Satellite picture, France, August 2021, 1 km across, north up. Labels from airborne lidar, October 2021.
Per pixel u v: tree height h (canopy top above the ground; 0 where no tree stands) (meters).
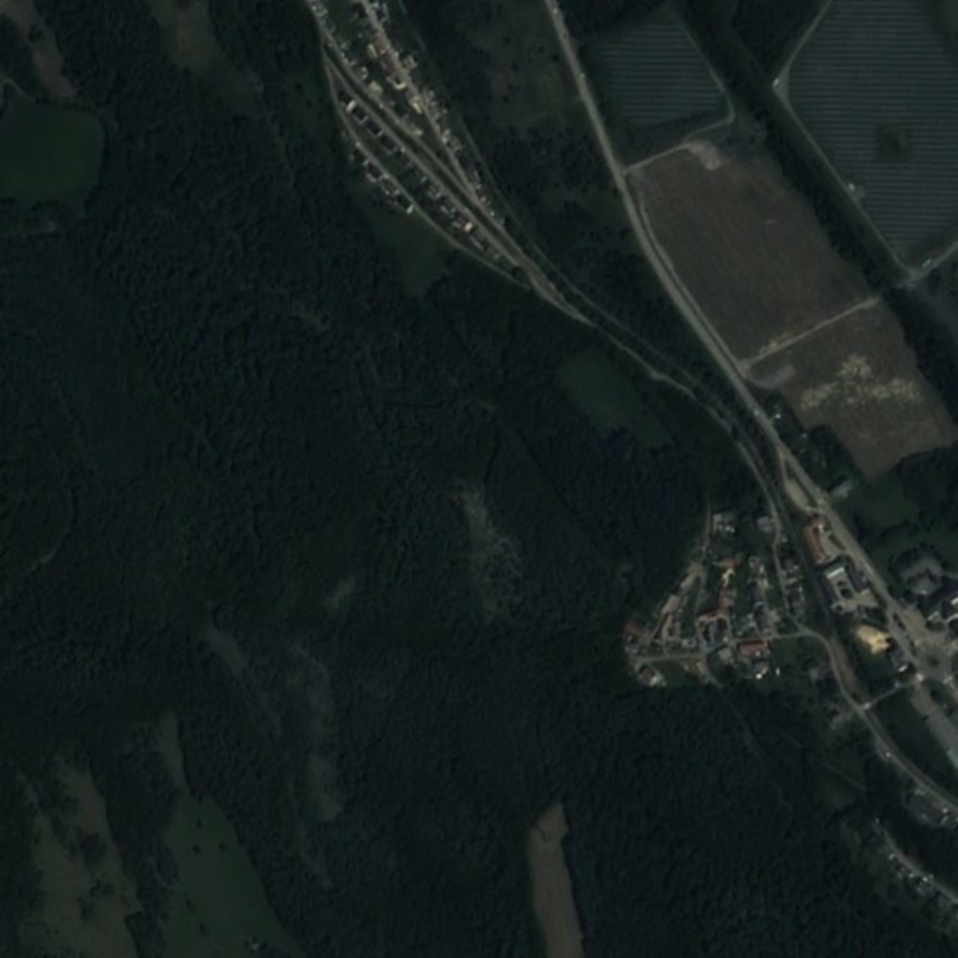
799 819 18
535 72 0
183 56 0
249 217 22
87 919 8
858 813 17
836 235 12
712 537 7
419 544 25
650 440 0
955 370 18
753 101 14
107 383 15
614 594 9
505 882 19
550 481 6
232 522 22
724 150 0
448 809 18
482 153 6
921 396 0
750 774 21
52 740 16
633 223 0
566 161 9
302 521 20
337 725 11
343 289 14
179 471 16
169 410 14
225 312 25
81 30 28
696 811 22
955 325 0
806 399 0
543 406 22
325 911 24
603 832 19
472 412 8
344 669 12
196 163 22
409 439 24
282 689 9
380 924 20
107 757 12
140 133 21
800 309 0
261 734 12
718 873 21
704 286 0
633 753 17
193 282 25
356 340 16
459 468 17
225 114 13
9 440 17
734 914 25
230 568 15
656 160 0
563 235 13
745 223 0
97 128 0
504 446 19
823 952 22
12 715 24
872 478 0
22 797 12
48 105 11
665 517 20
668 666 0
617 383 0
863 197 0
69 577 19
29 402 19
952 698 0
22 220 15
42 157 0
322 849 8
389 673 16
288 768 7
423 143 0
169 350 30
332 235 23
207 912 0
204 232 17
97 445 14
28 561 16
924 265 0
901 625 8
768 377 0
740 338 0
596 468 14
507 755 15
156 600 15
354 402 17
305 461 22
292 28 13
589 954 7
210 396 27
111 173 25
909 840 10
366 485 24
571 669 22
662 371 10
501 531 8
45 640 27
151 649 23
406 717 15
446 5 13
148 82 21
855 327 0
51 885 0
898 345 0
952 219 0
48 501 21
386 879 17
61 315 14
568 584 23
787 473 0
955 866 7
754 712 18
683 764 21
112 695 25
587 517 23
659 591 8
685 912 23
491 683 21
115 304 14
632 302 11
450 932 22
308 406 19
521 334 20
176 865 10
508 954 7
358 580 7
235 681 10
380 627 22
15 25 16
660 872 25
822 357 0
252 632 11
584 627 20
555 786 14
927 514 10
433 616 18
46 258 13
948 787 10
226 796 20
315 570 13
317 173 16
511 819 20
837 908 30
